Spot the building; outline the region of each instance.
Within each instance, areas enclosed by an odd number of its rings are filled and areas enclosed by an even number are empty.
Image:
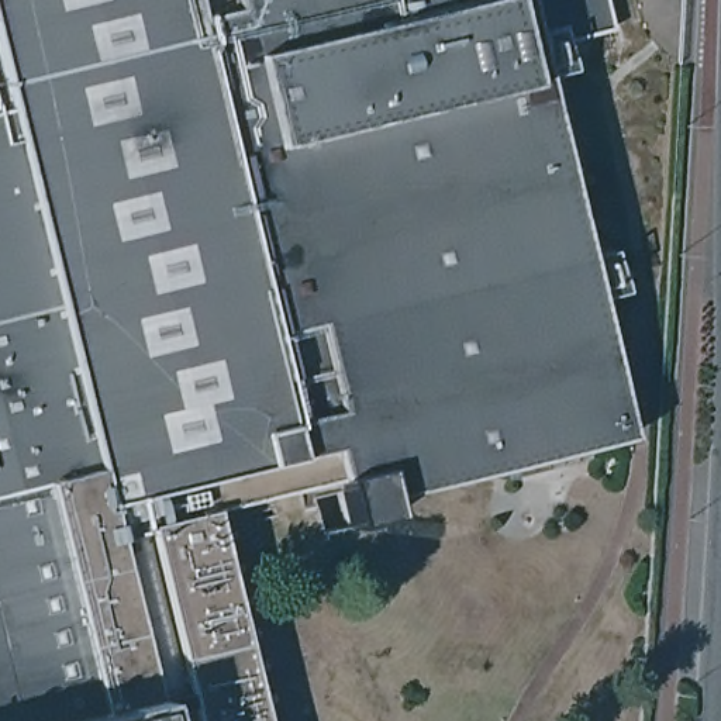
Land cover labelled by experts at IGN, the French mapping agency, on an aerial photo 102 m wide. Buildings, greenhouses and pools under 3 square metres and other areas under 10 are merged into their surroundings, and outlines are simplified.
[[[248,510],[273,510],[276,504],[304,499],[307,507],[321,510],[321,521],[313,527],[321,535],[380,538],[386,532],[406,532],[406,507],[411,507],[411,501],[422,496],[448,501],[453,493],[479,484],[493,487],[504,487],[510,479],[524,482],[527,476],[549,473],[558,468],[589,465],[603,451],[622,448],[625,439],[637,439],[639,428],[645,428],[628,361],[628,346],[617,313],[617,301],[637,296],[637,282],[631,276],[625,251],[603,253],[563,90],[563,84],[572,76],[580,76],[586,68],[575,51],[572,42],[566,42],[558,34],[549,34],[546,39],[541,37],[532,0],[0,0],[0,721],[279,721],[228,515],[239,504]]]

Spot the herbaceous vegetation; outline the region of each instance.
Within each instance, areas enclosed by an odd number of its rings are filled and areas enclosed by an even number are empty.
[[[670,175],[670,132],[665,132],[667,79],[662,79],[662,70],[673,70],[676,65],[656,51],[637,73],[611,84],[606,59],[614,56],[614,62],[620,65],[631,59],[637,51],[642,51],[648,42],[648,25],[634,17],[622,20],[622,34],[606,39],[594,37],[575,51],[586,68],[580,76],[572,76],[563,84],[563,90],[603,253],[625,251],[631,276],[637,282],[637,296],[617,301],[617,313],[628,346],[628,361],[645,428],[639,428],[637,439],[625,439],[622,448],[631,448],[631,468],[622,490],[606,490],[603,482],[597,482],[589,473],[586,479],[572,482],[560,504],[572,504],[583,527],[566,527],[558,538],[549,538],[544,529],[532,538],[504,538],[504,524],[490,510],[493,487],[479,484],[453,493],[448,501],[422,496],[411,501],[411,507],[406,507],[406,532],[386,532],[380,538],[321,535],[313,527],[321,521],[321,510],[307,507],[304,499],[276,504],[273,510],[248,510],[239,504],[228,515],[279,721],[507,721],[515,713],[529,679],[541,667],[546,651],[555,645],[560,628],[577,614],[591,577],[606,583],[600,603],[591,608],[586,625],[572,639],[569,651],[552,667],[532,707],[532,713],[544,715],[546,721],[645,721],[642,707],[620,710],[620,698],[614,696],[608,676],[620,670],[625,659],[631,659],[637,637],[651,634],[651,631],[653,617],[631,611],[625,589],[634,575],[634,563],[642,566],[648,563],[648,555],[656,555],[659,515],[645,510],[648,422],[656,422],[659,417],[676,411],[679,389],[673,372],[662,363],[662,327],[656,310],[653,270],[659,256],[656,228],[662,208],[662,175]],[[386,606],[369,620],[346,620],[338,608],[321,600],[318,611],[313,611],[310,617],[299,617],[293,625],[270,622],[262,617],[256,597],[253,572],[262,555],[296,555],[304,572],[321,575],[321,583],[330,586],[335,586],[338,569],[344,563],[361,560],[363,575],[377,583],[375,594],[386,600]],[[428,701],[411,710],[406,710],[403,701],[403,687],[408,682],[420,682],[422,687],[428,687]]]

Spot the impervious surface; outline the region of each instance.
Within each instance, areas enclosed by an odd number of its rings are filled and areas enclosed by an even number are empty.
[[[569,651],[572,639],[586,625],[591,608],[600,603],[606,583],[591,577],[577,614],[560,628],[555,645],[546,651],[541,667],[529,679],[515,713],[507,721],[546,721],[544,715],[532,713],[532,707],[552,667]]]
[[[552,510],[560,504],[572,482],[586,479],[589,473],[589,465],[558,468],[549,473],[527,476],[524,482],[510,479],[504,487],[493,487],[490,510],[504,524],[504,538],[532,538],[544,529]]]
[[[721,0],[532,0],[541,37],[546,39],[549,34],[558,34],[566,42],[572,42],[575,51],[594,37],[606,39],[622,34],[622,20],[634,17],[648,25],[648,42],[642,51],[637,51],[631,59],[620,65],[614,62],[614,56],[606,59],[611,84],[637,73],[656,51],[676,65],[693,62],[696,68],[690,104],[687,206],[682,239],[682,313],[673,372],[679,389],[676,411],[665,611],[659,628],[651,631],[651,634],[653,645],[648,651],[645,670],[653,670],[656,684],[662,687],[656,721],[676,721],[682,690],[696,693],[696,704],[701,713],[698,721],[721,721]],[[715,420],[710,453],[704,462],[696,462],[701,383],[698,372],[704,363],[701,346],[707,301],[715,304]]]

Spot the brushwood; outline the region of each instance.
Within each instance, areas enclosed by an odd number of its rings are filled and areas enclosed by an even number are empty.
[[[715,420],[715,304],[707,301],[701,346],[704,363],[698,372],[701,383],[696,462],[704,462],[710,453]]]
[[[653,617],[651,631],[659,628],[665,611],[676,411],[659,417],[656,422],[648,422],[645,510],[659,515],[656,555],[659,575]]]
[[[667,79],[665,132],[670,132],[670,175],[662,175],[662,208],[656,228],[659,256],[653,270],[656,310],[662,327],[662,363],[673,372],[682,313],[682,239],[687,206],[690,104],[696,68],[693,62],[676,65],[673,70],[662,70],[662,79]]]
[[[603,451],[589,465],[589,473],[597,482],[603,482],[606,490],[622,490],[631,468],[631,448],[622,448]]]

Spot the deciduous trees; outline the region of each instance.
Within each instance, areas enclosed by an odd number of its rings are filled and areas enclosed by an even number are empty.
[[[544,529],[549,538],[558,538],[566,527],[583,527],[572,504],[560,504],[552,510]]]
[[[676,721],[698,721],[701,713],[696,704],[696,693],[682,690]]]
[[[256,597],[262,617],[270,622],[293,625],[299,617],[310,617],[313,611],[318,611],[321,600],[338,608],[346,620],[369,620],[386,606],[386,600],[375,594],[377,583],[363,575],[361,560],[344,563],[338,569],[335,586],[330,586],[321,583],[321,575],[304,572],[296,555],[262,555],[253,572]]]
[[[662,687],[656,684],[653,670],[645,670],[648,651],[653,645],[651,634],[637,637],[631,659],[625,659],[620,670],[608,676],[614,696],[620,698],[620,710],[642,707],[645,721],[656,721]]]
[[[420,682],[408,682],[403,687],[403,701],[406,710],[411,710],[428,701],[428,687],[422,687]]]
[[[648,555],[648,563],[642,566],[634,563],[634,575],[625,589],[631,611],[653,617],[659,575],[656,555]]]

